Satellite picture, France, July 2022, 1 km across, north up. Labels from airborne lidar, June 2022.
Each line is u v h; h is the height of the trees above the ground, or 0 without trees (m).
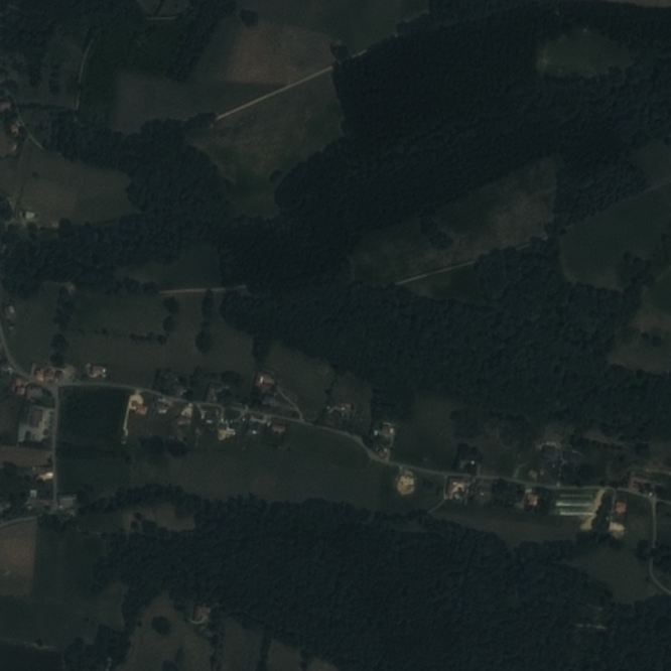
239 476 0
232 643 0
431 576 20
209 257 0
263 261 25
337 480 0
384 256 0
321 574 26
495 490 11
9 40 21
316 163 24
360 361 23
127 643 12
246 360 0
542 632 25
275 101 0
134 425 0
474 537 16
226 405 23
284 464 0
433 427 0
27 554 0
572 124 20
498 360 27
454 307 20
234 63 0
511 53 30
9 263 24
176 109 0
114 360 0
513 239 0
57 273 16
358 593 19
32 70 17
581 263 0
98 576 15
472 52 27
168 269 0
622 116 30
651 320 0
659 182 0
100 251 27
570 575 21
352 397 0
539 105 26
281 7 0
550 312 25
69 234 27
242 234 30
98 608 0
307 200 26
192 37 16
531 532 0
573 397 25
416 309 20
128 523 0
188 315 0
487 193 0
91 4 23
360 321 26
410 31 20
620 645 22
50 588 0
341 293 22
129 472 0
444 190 21
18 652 0
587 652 6
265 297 19
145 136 18
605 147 25
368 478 0
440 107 30
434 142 26
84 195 0
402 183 26
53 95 12
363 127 27
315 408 0
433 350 28
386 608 18
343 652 22
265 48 0
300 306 21
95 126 7
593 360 24
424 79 30
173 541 23
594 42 0
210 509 20
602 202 24
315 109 0
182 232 22
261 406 6
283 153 0
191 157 26
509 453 0
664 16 23
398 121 28
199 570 26
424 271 0
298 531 25
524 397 22
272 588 26
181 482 0
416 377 22
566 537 0
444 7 16
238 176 0
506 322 28
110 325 0
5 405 0
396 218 9
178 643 0
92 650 20
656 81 22
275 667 0
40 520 12
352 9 0
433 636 18
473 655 27
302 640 11
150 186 30
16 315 0
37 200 0
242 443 0
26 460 0
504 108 32
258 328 21
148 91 0
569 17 28
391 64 25
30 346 0
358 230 21
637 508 0
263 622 11
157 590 21
